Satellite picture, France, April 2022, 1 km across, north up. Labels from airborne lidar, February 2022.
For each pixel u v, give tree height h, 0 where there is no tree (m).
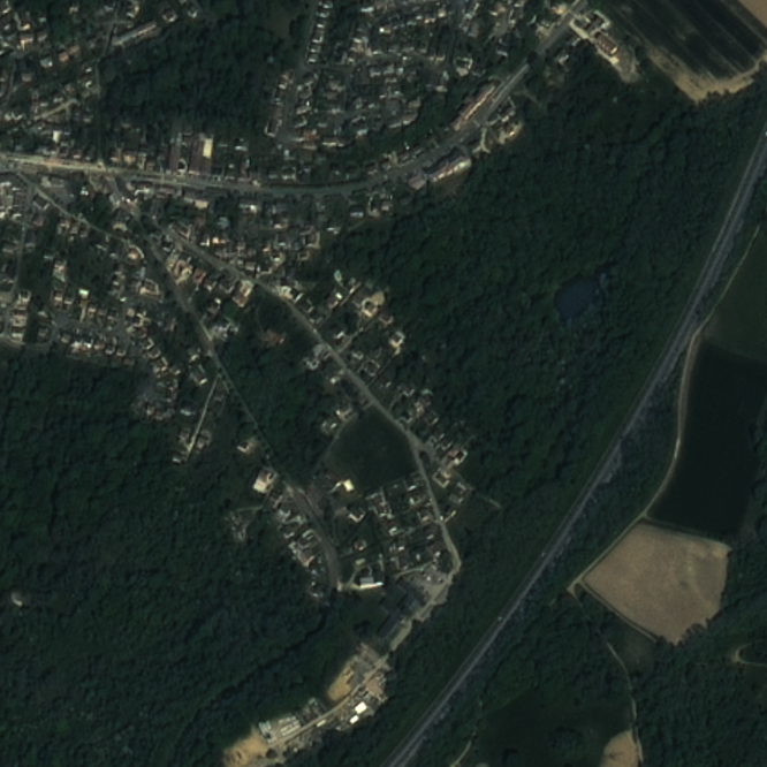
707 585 0
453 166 0
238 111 15
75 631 7
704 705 14
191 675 17
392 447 0
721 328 0
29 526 19
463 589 13
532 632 19
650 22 0
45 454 17
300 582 11
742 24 0
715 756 19
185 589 11
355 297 0
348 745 19
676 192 22
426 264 20
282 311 6
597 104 6
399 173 0
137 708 7
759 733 19
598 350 10
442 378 8
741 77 0
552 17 12
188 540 7
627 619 0
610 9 0
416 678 21
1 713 9
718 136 13
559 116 18
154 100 19
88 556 19
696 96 0
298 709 7
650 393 0
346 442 0
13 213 0
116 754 8
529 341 18
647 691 20
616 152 20
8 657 16
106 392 22
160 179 0
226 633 32
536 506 20
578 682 21
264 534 9
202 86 18
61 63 0
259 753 0
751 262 0
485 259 24
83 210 7
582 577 0
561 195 26
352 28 0
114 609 19
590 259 23
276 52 13
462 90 20
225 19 0
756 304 0
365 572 7
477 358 30
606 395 26
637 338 23
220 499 17
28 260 9
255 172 0
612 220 28
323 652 27
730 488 0
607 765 0
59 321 0
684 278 17
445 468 0
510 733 0
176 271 0
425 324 7
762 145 0
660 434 19
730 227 0
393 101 0
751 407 0
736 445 0
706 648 19
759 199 15
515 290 25
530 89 14
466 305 12
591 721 0
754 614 20
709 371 0
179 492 8
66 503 22
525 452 21
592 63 14
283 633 24
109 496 17
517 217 26
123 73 7
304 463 10
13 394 14
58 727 16
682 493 0
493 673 13
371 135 11
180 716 14
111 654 6
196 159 0
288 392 21
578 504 0
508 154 15
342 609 20
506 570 20
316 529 9
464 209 26
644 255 31
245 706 20
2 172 0
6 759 8
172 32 9
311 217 6
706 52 0
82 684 8
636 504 15
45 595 8
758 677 0
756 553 16
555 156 19
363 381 7
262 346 8
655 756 16
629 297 29
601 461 0
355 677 0
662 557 0
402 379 10
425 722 0
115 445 19
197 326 11
